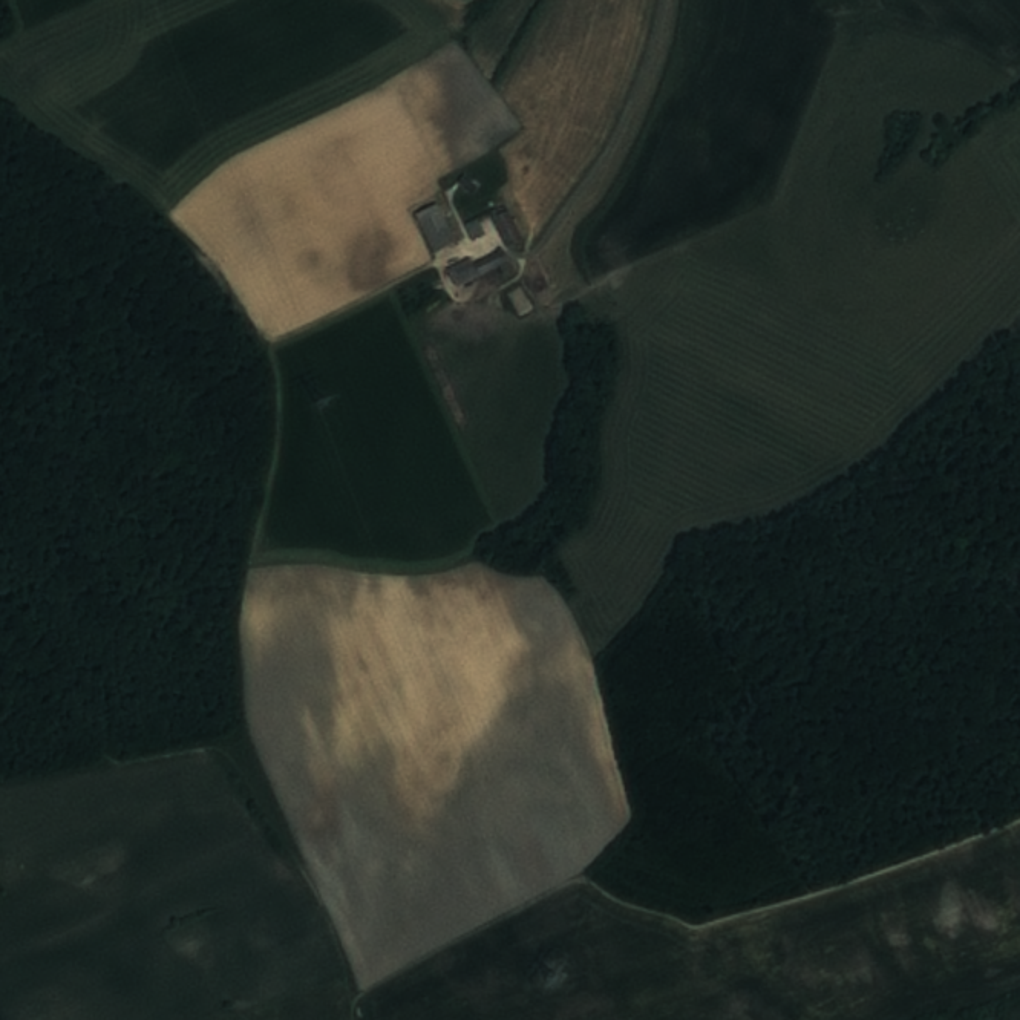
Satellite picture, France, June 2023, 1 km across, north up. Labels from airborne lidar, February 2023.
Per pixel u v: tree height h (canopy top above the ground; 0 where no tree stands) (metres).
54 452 24
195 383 24
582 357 20
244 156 0
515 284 0
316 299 0
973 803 22
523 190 0
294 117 0
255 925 0
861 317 0
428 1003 0
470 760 0
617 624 0
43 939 0
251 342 17
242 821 0
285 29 0
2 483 24
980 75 0
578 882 0
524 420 0
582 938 0
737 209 0
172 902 0
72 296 23
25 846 0
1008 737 23
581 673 0
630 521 0
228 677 17
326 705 0
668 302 0
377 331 0
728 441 0
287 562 0
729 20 0
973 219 0
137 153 0
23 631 24
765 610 24
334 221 0
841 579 21
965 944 0
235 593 15
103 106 0
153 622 19
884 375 0
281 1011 0
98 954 0
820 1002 0
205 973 0
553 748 0
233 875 0
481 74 0
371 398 0
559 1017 0
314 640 0
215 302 22
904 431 14
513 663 0
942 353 0
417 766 0
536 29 0
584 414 26
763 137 0
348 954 0
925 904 0
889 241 0
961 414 16
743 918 0
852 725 28
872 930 0
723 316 0
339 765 0
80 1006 0
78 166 18
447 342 0
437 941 0
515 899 0
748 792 25
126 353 19
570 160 0
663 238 0
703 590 23
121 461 24
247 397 26
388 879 0
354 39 0
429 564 0
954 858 0
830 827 21
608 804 0
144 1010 0
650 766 6
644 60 0
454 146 0
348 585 0
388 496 0
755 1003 0
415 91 0
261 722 0
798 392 0
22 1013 0
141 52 0
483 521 0
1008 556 20
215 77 0
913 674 22
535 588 0
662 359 0
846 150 0
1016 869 0
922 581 19
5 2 8
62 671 22
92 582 25
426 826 0
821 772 27
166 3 0
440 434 0
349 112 0
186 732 17
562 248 0
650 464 0
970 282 0
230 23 0
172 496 19
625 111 0
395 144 0
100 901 0
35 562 22
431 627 0
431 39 0
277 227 0
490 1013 0
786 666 27
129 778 0
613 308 0
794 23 0
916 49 0
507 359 0
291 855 0
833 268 0
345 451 0
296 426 0
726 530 16
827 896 0
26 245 24
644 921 0
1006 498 25
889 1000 0
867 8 0
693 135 0
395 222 0
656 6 0
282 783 0
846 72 0
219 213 0
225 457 26
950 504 23
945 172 0
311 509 0
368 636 0
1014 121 0
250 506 17
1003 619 27
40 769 16
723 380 0
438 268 0
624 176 0
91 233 27
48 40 0
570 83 0
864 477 20
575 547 0
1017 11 0
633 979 0
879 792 21
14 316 23
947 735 24
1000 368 20
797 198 0
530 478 0
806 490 0
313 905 0
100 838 0
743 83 0
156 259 25
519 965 0
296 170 0
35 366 24
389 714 0
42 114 0
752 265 0
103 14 0
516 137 0
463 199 0
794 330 0
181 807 0
